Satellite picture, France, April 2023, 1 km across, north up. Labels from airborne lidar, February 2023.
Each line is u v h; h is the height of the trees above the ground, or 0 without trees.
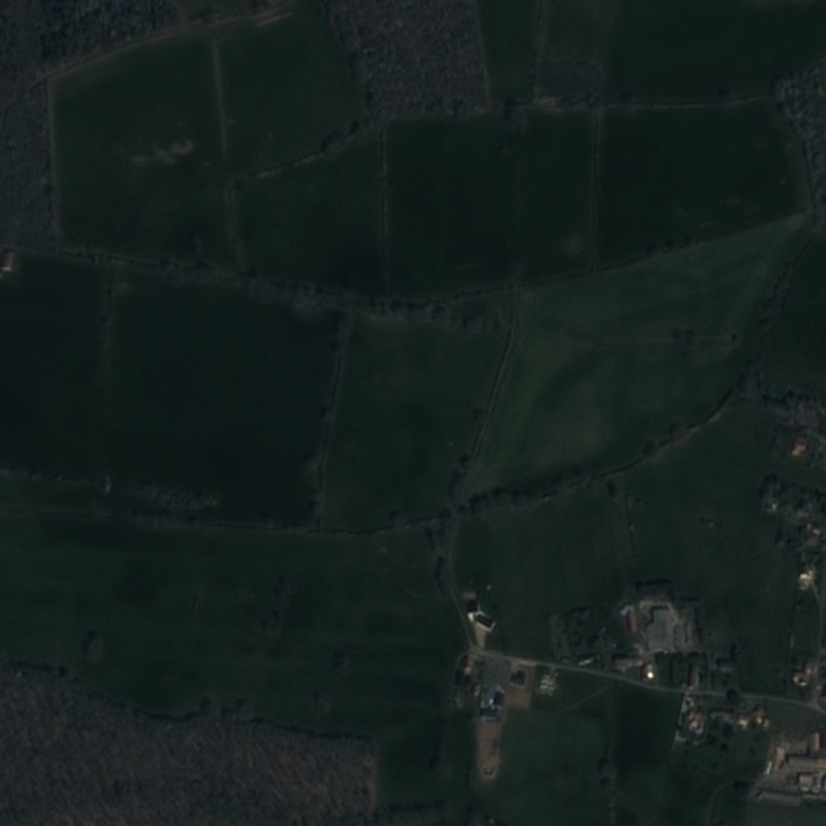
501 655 0
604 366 0
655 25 0
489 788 0
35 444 0
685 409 0
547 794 0
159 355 0
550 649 0
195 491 0
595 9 0
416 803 0
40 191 11
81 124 0
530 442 0
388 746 0
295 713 0
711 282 0
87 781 29
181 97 0
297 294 14
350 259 0
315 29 0
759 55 0
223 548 0
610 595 0
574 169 0
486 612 0
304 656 0
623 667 0
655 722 0
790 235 0
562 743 0
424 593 0
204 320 0
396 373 0
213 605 0
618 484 0
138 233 0
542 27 0
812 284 0
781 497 10
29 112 7
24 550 0
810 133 15
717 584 0
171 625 0
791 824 0
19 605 0
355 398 0
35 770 29
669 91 0
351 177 0
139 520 15
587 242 0
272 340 0
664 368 0
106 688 0
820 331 0
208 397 0
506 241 0
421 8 8
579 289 0
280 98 0
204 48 0
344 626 0
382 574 0
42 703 23
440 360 0
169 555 0
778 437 7
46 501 0
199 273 11
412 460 0
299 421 0
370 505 0
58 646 0
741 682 0
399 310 14
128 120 0
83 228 0
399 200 0
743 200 0
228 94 0
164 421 0
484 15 0
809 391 0
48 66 14
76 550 0
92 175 0
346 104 0
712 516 0
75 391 0
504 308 0
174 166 0
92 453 0
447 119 11
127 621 0
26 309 0
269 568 0
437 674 0
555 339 0
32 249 10
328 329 0
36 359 0
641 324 0
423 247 0
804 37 0
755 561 0
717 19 0
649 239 0
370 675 0
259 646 0
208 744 23
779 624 0
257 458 0
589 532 0
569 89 10
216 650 0
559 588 0
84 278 0
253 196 0
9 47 18
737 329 0
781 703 0
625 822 0
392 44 8
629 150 0
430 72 6
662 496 0
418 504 0
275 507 0
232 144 0
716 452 0
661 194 0
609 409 0
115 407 0
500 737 0
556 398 0
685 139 0
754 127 0
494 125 0
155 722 16
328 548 0
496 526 0
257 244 0
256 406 0
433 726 0
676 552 0
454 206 0
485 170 0
